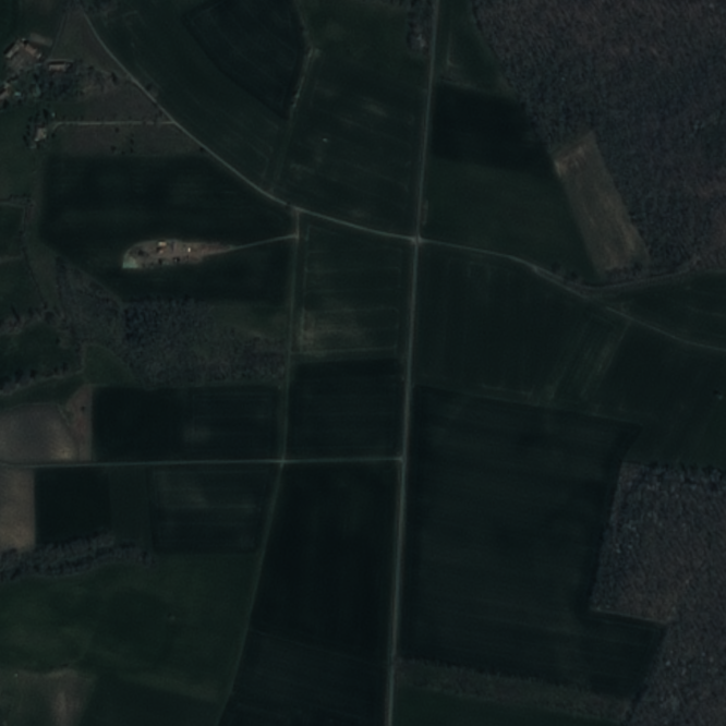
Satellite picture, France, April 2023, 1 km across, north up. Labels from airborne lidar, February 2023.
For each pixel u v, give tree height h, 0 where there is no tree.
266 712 0
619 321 0
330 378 0
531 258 0
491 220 0
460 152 0
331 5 0
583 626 0
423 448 0
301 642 0
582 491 0
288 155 0
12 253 0
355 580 0
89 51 0
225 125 0
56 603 0
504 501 0
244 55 0
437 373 0
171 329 10
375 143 0
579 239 0
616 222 0
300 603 0
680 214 20
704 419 0
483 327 0
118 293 0
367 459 0
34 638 0
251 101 0
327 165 0
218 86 0
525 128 0
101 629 0
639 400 0
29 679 0
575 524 0
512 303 0
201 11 0
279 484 0
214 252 0
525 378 0
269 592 0
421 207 0
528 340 0
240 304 0
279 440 0
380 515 0
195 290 0
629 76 22
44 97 8
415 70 0
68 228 0
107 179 0
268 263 0
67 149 0
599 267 0
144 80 0
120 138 0
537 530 0
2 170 0
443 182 0
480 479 0
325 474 0
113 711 0
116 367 0
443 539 0
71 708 0
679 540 23
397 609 0
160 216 0
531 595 0
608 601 13
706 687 22
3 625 0
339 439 0
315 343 0
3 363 0
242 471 0
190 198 0
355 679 0
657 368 0
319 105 0
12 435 0
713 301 0
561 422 0
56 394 0
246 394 0
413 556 0
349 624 0
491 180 0
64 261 0
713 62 16
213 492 0
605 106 21
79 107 0
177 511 0
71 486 0
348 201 0
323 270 0
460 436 0
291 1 0
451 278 0
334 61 0
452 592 0
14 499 0
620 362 0
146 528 0
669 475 16
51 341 0
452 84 0
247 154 0
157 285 0
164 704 0
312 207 0
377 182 0
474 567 0
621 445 0
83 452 0
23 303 0
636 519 19
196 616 0
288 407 0
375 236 0
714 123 14
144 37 0
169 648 0
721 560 25
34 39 0
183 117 0
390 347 0
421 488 0
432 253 0
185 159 0
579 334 0
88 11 12
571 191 0
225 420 0
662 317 0
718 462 0
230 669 0
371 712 0
